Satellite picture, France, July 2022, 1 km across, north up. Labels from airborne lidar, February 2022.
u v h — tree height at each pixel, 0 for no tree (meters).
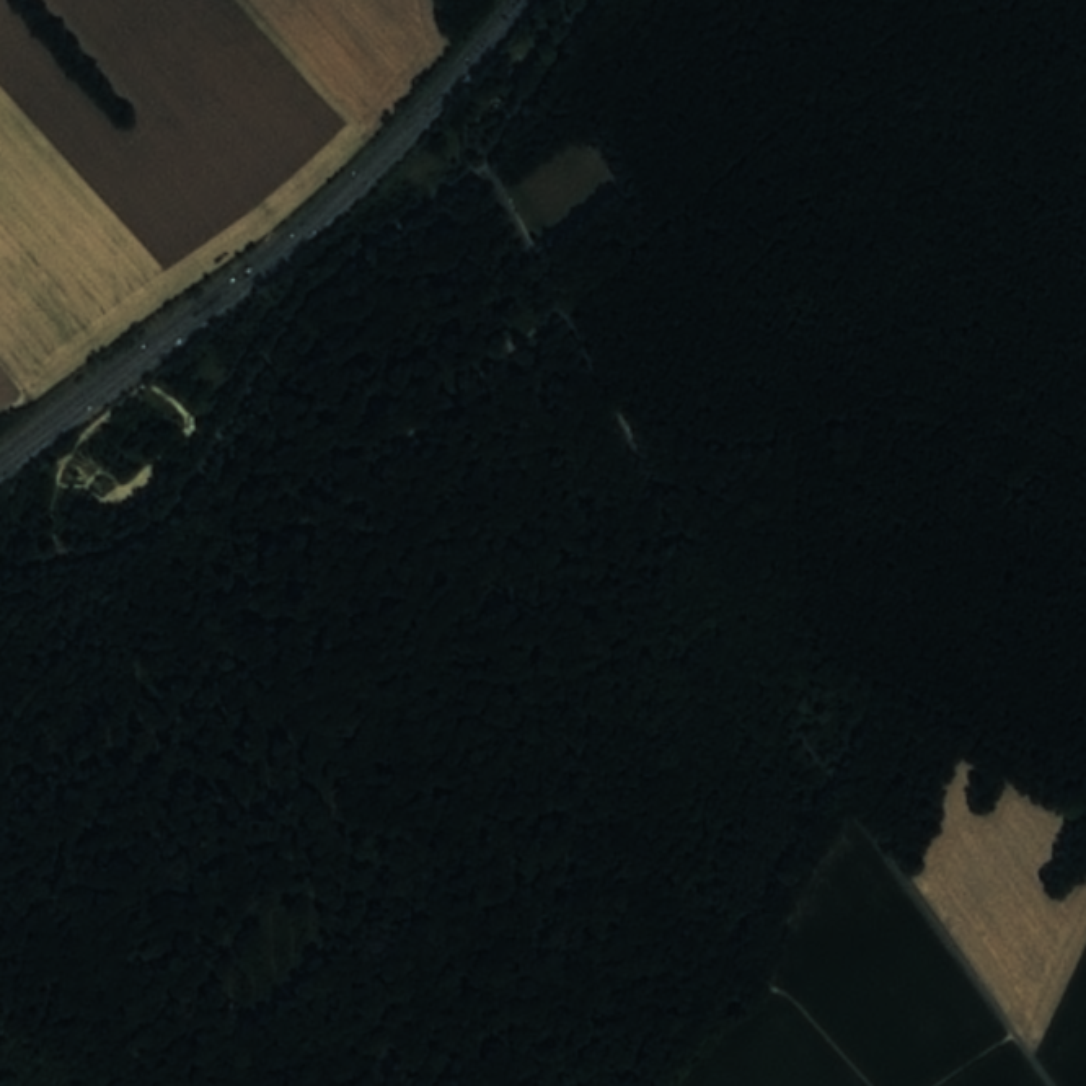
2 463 0
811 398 17
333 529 24
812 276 14
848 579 19
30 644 21
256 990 0
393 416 28
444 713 22
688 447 25
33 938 28
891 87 13
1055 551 16
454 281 25
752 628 23
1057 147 16
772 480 24
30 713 27
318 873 22
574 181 0
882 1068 0
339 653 32
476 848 22
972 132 17
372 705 28
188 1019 22
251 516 12
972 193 17
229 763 28
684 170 17
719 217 18
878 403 17
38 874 27
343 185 0
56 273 0
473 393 25
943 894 0
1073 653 20
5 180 0
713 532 25
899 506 16
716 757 25
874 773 22
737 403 18
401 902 22
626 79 18
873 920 0
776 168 16
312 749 29
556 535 22
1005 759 24
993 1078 0
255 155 0
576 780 21
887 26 15
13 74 0
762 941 27
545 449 21
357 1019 23
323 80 0
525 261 21
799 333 14
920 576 17
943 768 21
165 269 0
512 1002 26
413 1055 24
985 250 14
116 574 13
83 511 25
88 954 28
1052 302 17
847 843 0
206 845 29
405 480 24
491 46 0
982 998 0
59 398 0
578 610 21
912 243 16
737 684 26
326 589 24
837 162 16
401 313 22
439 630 24
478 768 22
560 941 20
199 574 10
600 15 25
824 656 22
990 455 15
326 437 25
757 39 18
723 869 14
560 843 23
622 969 22
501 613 23
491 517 23
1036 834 0
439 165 0
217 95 0
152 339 0
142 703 28
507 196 0
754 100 14
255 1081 26
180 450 14
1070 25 18
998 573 18
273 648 26
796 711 14
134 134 0
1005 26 16
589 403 23
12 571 19
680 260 17
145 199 0
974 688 16
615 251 24
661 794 24
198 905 29
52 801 23
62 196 0
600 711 18
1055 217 13
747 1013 18
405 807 22
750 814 19
